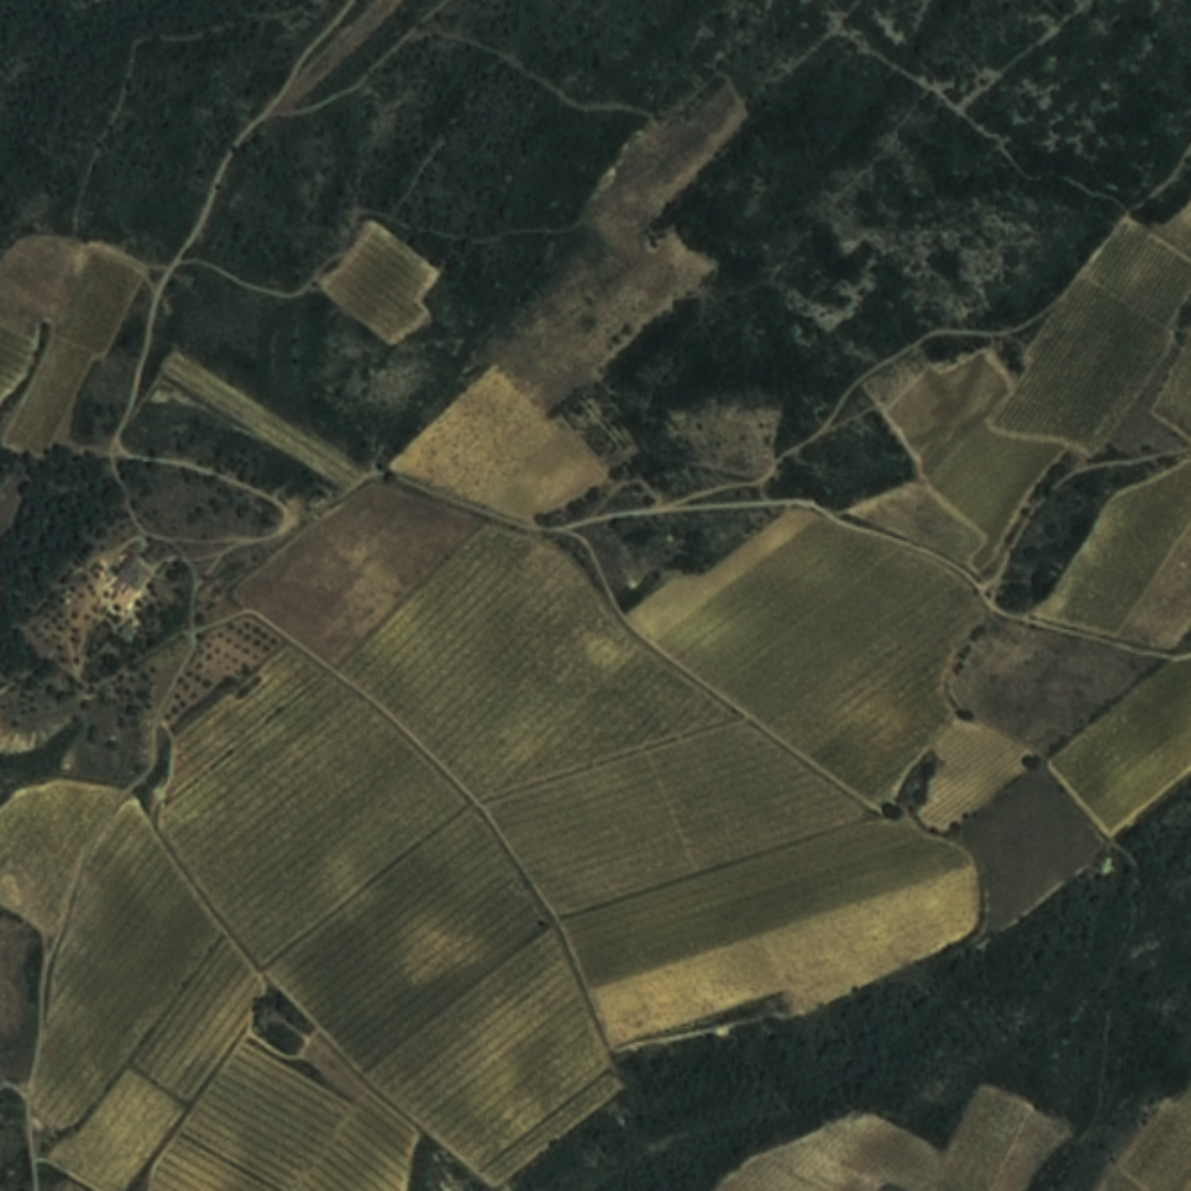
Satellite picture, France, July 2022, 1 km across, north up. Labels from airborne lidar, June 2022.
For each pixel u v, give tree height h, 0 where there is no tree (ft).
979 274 0
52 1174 0
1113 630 0
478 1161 0
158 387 0
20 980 0
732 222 17
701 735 0
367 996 0
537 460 0
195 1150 0
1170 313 0
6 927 0
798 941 0
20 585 39
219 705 0
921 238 0
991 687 0
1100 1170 0
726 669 0
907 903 0
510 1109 0
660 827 0
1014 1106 0
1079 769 0
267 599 0
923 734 0
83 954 0
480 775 0
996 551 0
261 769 0
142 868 0
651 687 0
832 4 0
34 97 21
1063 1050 0
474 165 25
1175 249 0
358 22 0
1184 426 0
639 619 0
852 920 0
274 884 0
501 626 0
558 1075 0
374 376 0
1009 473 0
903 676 0
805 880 0
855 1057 41
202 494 0
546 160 21
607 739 0
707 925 0
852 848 0
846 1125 0
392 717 0
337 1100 0
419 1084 0
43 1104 0
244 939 0
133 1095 0
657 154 0
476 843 0
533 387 0
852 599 0
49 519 35
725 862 0
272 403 0
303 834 0
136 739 0
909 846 0
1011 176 24
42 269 0
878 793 0
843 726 0
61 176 19
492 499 0
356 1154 0
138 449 0
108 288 0
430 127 17
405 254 0
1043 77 22
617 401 24
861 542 0
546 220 0
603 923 0
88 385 0
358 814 0
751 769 0
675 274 0
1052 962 30
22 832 0
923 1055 20
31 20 30
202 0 31
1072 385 0
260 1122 0
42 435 0
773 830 0
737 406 0
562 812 0
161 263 0
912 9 19
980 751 0
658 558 0
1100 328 0
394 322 0
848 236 0
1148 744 0
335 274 0
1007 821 0
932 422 0
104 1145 0
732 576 0
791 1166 0
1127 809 0
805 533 0
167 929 0
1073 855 0
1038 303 19
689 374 21
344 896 0
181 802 0
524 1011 0
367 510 0
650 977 0
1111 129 19
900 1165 0
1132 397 0
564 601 0
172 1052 0
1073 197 21
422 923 0
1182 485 0
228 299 0
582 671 0
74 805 0
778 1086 22
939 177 20
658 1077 21
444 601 0
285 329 0
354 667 0
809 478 18
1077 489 22
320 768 0
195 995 0
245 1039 0
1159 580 0
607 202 0
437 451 0
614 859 0
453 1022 0
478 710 0
